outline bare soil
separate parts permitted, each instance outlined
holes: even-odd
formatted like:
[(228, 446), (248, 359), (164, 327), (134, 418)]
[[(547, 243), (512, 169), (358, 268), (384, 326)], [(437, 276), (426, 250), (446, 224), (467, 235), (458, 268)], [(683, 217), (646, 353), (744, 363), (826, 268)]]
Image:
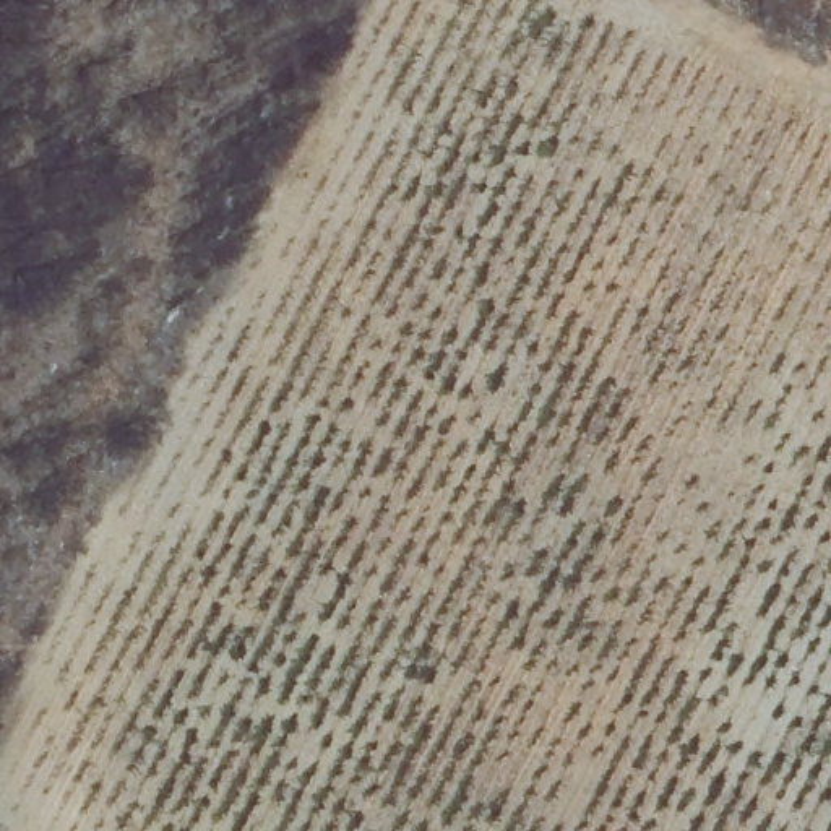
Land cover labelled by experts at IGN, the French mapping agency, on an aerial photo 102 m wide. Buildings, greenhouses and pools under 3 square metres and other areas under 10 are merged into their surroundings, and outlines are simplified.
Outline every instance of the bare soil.
[(805, 65), (825, 65), (831, 52), (831, 0), (701, 0), (730, 19), (760, 26), (763, 42), (769, 49), (789, 52)]

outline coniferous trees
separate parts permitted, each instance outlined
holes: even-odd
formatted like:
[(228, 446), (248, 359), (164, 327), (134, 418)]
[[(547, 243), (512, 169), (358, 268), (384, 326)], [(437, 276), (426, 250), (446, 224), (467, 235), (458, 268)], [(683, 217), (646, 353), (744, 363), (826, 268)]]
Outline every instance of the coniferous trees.
[(3, 704), (23, 678), (32, 643), (45, 633), (58, 607), (71, 565), (84, 552), (88, 532), (101, 523), (107, 497), (120, 490), (123, 480), (149, 467), (153, 448), (162, 441), (159, 428), (172, 419), (169, 390), (185, 370), (185, 344), (192, 334), (201, 331), (205, 315), (227, 295), (234, 263), (247, 253), (250, 237), (256, 234), (256, 214), (266, 208), (273, 195), (279, 169), (289, 162), (292, 149), (318, 117), (325, 81), (338, 75), (344, 55), (354, 45), (364, 10), (360, 0), (0, 0), (0, 717)]

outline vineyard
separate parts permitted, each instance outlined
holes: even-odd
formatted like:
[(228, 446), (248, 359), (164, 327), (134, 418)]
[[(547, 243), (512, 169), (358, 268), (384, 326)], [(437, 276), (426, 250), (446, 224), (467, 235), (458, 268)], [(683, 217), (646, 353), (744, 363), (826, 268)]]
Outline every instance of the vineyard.
[(201, 331), (192, 334), (185, 344), (185, 370), (169, 390), (172, 419), (159, 428), (162, 441), (153, 448), (149, 467), (123, 480), (120, 490), (107, 497), (101, 523), (88, 532), (84, 552), (71, 565), (58, 607), (45, 633), (32, 643), (23, 678), (3, 704), (0, 717), (0, 831), (831, 831), (831, 52), (825, 65), (805, 65), (789, 52), (769, 49), (763, 42), (760, 26), (730, 19), (701, 0), (360, 0), (364, 10), (354, 45), (344, 55), (338, 75), (325, 81), (318, 117), (292, 149), (289, 162), (279, 169), (273, 195), (266, 208), (256, 214), (256, 234), (250, 237), (247, 253), (234, 263), (227, 295), (205, 315)]

